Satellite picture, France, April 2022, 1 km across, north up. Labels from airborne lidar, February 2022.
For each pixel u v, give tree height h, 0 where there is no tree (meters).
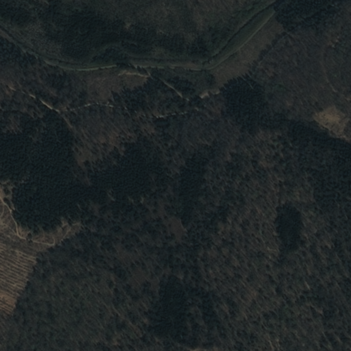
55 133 28
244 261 29
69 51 31
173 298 18
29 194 33
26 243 0
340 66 27
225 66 0
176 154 23
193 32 19
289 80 30
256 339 25
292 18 16
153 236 28
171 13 15
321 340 31
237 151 27
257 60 0
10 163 25
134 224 16
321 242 29
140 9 12
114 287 24
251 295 31
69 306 28
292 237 23
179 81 25
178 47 23
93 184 16
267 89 23
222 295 28
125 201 24
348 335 29
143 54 30
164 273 17
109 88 0
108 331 27
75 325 22
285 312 28
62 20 21
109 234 25
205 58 23
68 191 24
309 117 21
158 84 27
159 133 26
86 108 23
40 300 29
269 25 0
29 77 16
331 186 16
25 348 30
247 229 26
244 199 21
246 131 19
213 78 17
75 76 0
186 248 22
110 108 18
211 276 24
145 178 23
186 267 19
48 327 27
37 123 15
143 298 11
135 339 24
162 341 27
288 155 23
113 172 24
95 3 24
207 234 25
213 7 29
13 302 0
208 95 0
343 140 24
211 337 20
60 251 24
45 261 21
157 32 23
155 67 0
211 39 27
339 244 23
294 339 30
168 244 18
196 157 17
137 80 0
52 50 29
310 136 17
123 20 18
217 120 27
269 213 29
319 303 23
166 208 14
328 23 23
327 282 34
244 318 30
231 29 23
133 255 23
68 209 26
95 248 23
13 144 27
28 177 18
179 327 23
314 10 26
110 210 18
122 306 26
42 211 30
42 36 30
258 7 25
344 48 26
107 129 0
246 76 0
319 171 25
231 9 28
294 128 21
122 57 25
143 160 24
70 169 14
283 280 24
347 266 31
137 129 29
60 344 26
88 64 25
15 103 10
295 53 25
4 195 0
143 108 23
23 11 31
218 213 26
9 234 0
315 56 25
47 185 28
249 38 0
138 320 25
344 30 20
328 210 32
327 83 26
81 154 30
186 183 26
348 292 20
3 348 29
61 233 0
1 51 24
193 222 24
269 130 17
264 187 29
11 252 0
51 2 19
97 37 23
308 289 28
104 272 27
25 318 22
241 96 23
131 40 30
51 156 24
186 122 23
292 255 28
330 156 16
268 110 19
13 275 0
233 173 26
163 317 29
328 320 24
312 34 29
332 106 20
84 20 24
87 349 25
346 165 20
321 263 31
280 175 35
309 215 28
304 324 29
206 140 28
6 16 31
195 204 22
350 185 8
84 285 29
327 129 9
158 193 17
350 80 26
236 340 28
